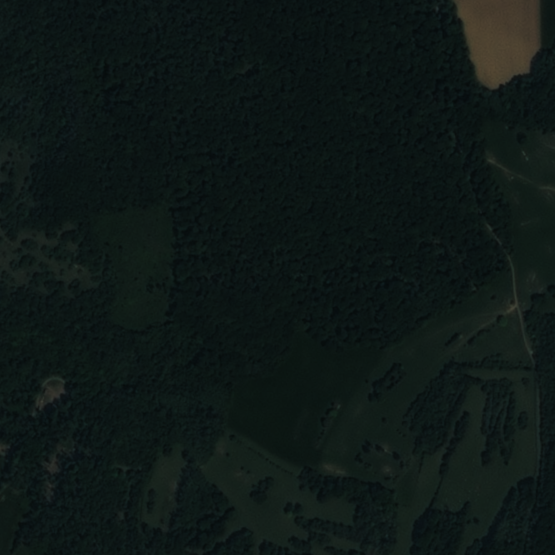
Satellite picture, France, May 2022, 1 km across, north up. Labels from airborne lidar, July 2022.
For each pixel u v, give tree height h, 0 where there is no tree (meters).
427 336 0
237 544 18
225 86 18
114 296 17
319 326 24
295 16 25
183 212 26
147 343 13
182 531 14
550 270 0
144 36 19
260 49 26
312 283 28
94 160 17
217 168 28
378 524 21
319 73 24
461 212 27
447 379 17
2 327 16
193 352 14
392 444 0
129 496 6
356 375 0
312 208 29
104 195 14
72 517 29
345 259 28
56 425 20
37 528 29
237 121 21
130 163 19
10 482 20
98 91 7
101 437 22
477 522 16
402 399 0
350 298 29
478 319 0
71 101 22
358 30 27
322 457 0
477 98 29
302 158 26
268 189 27
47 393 0
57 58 17
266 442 0
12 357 8
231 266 17
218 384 18
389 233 25
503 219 18
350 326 17
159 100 24
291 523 0
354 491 9
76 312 15
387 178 26
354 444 0
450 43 26
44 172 16
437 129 26
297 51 27
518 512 23
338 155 26
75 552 18
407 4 28
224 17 24
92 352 15
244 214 26
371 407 0
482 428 8
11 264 8
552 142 0
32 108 6
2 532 0
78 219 18
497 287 0
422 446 19
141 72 24
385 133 27
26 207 7
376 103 24
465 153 21
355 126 25
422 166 25
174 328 17
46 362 24
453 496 0
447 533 13
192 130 22
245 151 30
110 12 23
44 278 6
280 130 26
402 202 26
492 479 0
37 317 16
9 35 17
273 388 0
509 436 12
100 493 21
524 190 0
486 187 23
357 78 27
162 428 19
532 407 0
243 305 31
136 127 26
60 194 18
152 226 0
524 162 0
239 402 0
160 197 19
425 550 9
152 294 21
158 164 22
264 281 30
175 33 17
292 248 27
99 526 19
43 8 14
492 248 21
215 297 29
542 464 11
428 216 27
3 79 12
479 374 0
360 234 25
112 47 24
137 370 17
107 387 20
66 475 28
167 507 0
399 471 0
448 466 7
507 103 22
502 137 0
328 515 0
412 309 22
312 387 0
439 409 18
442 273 22
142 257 0
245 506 0
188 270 26
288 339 24
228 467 0
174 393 23
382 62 28
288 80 23
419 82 26
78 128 21
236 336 30
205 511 21
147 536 13
